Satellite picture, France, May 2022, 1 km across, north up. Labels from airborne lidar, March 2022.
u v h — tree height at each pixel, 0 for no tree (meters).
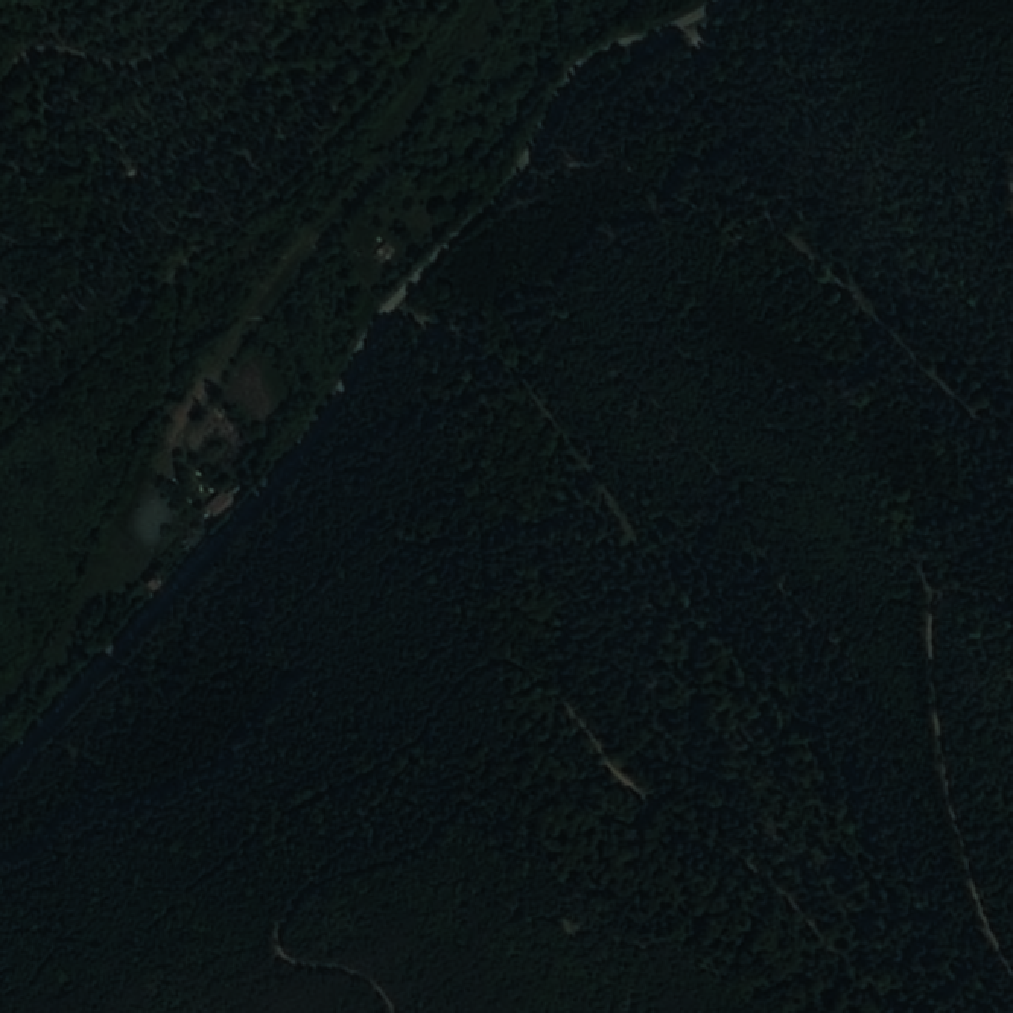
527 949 8
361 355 0
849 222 15
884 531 9
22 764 36
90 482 17
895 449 15
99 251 10
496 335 12
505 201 30
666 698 34
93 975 10
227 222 27
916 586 19
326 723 21
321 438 24
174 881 22
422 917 12
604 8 28
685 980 10
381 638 19
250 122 28
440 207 17
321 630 22
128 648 26
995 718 15
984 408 20
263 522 27
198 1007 9
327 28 18
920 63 12
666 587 33
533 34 6
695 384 9
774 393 21
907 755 20
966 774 12
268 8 31
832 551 9
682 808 22
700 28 0
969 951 30
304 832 23
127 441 12
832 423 12
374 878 15
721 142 14
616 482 16
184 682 17
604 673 37
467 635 14
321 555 22
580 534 29
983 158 15
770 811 8
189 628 27
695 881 34
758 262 12
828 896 36
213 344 20
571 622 34
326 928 7
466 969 12
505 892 18
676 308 11
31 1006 11
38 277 18
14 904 23
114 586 0
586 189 14
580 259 20
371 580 21
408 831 27
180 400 16
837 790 45
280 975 18
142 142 24
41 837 8
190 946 16
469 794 16
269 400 0
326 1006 14
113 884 19
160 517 0
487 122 19
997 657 23
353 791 29
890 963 36
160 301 20
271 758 25
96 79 20
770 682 12
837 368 13
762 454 12
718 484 13
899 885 8
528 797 19
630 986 6
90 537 14
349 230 17
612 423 8
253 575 24
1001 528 30
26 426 18
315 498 25
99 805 24
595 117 22
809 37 13
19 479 16
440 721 22
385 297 9
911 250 18
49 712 0
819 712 13
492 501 18
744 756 9
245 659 16
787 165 27
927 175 9
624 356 16
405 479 20
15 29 19
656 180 15
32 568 19
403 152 9
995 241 24
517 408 19
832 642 31
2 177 12
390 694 21
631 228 24
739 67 16
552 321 15
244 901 21
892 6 12
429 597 17
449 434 26
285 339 10
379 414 19
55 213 16
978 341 29
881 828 33
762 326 15
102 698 27
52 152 32
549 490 17
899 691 12
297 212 17
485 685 24
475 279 16
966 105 10
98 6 7
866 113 9
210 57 24
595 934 11
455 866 16
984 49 10
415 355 24
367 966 14
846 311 17
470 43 0
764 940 32
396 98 17
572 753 30
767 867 15
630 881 35
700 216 15
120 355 18
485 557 32
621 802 29
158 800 27
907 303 37
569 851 31
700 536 12
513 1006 12
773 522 14
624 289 15
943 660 12
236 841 23
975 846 22
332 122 31
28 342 22
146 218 23
